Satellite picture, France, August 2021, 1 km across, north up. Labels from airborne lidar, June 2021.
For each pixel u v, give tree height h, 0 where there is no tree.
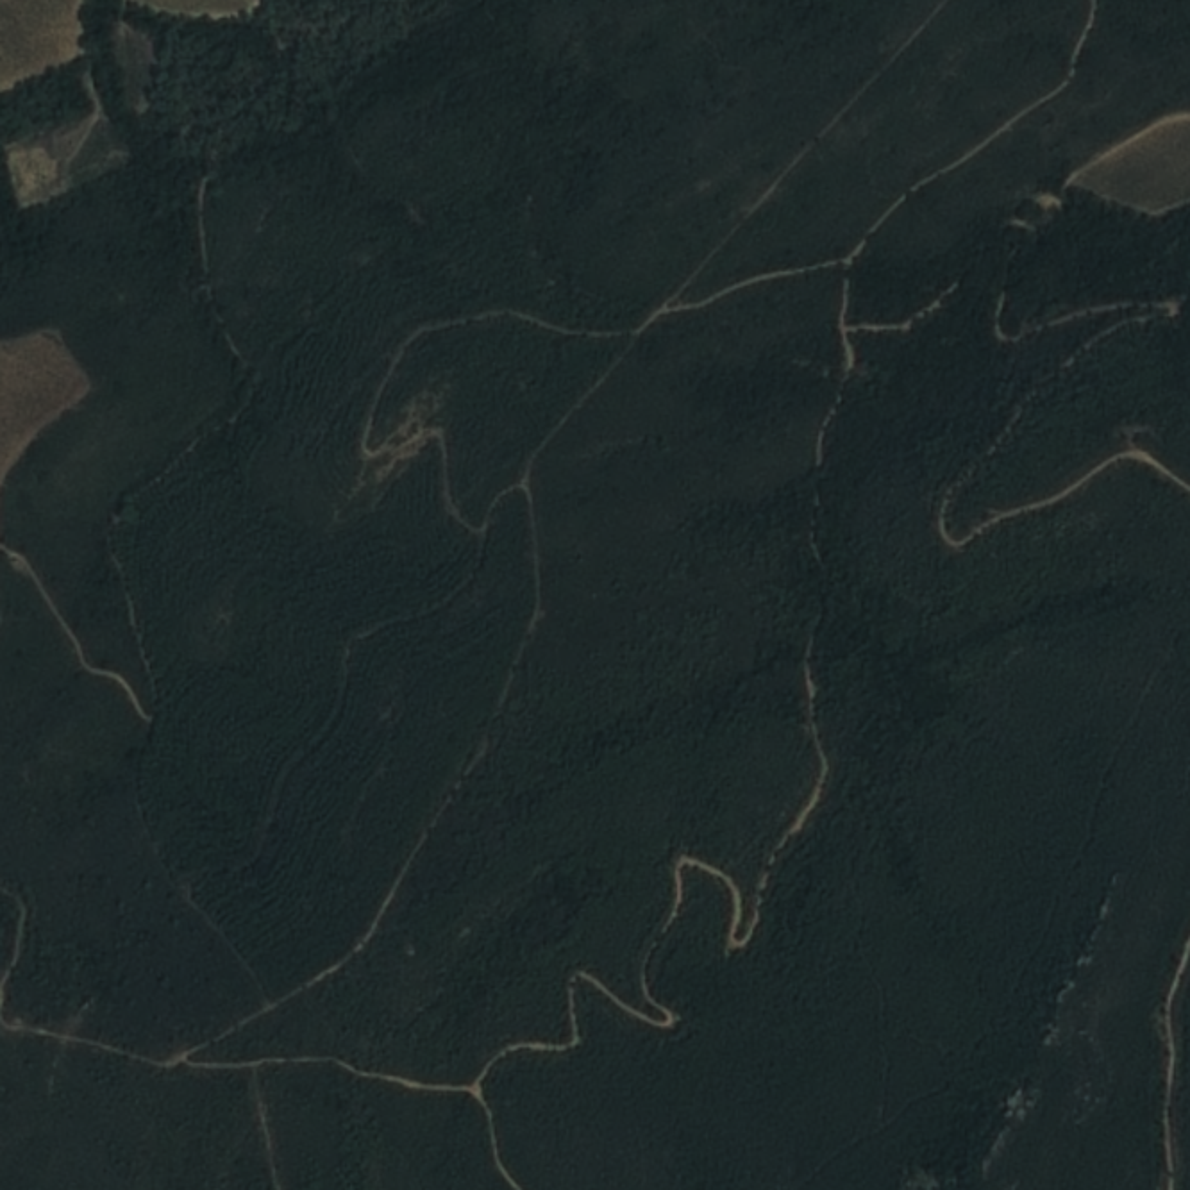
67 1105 0
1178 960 6
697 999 7
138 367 0
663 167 0
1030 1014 9
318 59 12
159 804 7
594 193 6
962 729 6
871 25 0
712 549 8
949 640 7
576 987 6
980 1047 10
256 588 6
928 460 7
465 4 6
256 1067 0
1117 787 5
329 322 6
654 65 0
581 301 5
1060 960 7
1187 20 6
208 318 9
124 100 16
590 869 8
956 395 7
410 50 8
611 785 7
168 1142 0
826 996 6
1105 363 6
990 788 6
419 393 0
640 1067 6
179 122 11
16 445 0
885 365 7
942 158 0
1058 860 6
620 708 7
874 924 6
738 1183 6
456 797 7
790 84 0
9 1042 0
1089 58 7
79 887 7
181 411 0
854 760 9
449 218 6
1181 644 6
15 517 0
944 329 8
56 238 5
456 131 6
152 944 7
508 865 6
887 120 0
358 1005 6
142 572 5
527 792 7
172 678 7
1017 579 6
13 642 0
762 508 5
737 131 0
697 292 0
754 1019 6
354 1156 6
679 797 6
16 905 6
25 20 0
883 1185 6
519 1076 6
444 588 7
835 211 0
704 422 6
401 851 6
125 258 6
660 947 8
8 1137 0
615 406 0
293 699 6
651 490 0
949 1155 6
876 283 10
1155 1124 5
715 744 7
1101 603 6
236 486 7
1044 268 11
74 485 0
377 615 6
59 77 9
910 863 9
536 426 5
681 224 0
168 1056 0
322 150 7
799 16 6
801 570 8
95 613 7
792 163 0
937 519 7
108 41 13
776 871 8
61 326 0
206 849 6
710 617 6
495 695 6
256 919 6
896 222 0
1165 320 9
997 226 8
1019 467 6
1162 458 0
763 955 9
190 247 8
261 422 7
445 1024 8
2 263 6
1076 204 15
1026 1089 8
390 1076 0
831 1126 5
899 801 6
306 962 6
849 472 7
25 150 0
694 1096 6
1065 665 5
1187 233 6
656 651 6
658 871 6
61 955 7
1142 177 0
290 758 6
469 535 6
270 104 14
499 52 6
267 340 6
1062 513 6
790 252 8
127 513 13
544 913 6
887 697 6
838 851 7
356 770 5
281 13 13
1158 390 6
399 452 0
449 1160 6
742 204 0
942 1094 7
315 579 6
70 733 0
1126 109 0
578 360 6
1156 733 5
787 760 6
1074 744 6
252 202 0
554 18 0
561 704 8
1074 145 0
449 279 6
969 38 0
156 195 8
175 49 16
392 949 5
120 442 0
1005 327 7
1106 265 10
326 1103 6
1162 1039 0
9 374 0
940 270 7
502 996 8
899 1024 5
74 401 0
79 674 6
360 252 7
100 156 0
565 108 9
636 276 0
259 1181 6
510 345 6
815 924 8
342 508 0
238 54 14
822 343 5
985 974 6
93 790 6
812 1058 7
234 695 5
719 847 5
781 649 7
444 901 7
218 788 6
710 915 6
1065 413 6
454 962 6
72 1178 0
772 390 8
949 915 6
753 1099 6
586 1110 6
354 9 11
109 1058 6
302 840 6
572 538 0
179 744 7
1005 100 0
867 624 7
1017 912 5
